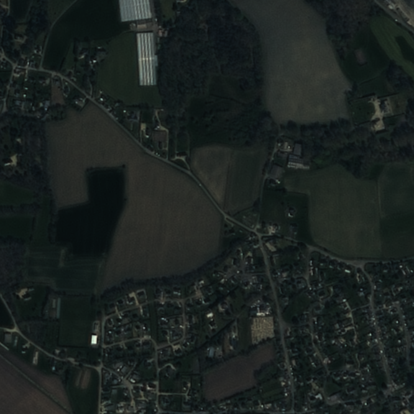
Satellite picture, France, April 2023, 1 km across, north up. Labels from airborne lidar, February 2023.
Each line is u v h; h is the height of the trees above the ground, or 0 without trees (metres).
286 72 0
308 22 0
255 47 18
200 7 19
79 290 0
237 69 13
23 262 20
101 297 8
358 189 0
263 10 0
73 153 0
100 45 0
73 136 0
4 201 0
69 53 0
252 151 0
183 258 0
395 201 0
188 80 20
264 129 23
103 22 0
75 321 0
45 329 11
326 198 0
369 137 18
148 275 0
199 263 0
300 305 0
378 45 0
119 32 0
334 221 0
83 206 0
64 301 0
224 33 20
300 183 0
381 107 0
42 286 0
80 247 0
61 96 0
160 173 0
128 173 0
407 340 0
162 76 19
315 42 0
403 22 0
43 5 12
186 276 10
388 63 0
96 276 0
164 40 9
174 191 0
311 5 21
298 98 0
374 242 0
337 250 0
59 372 14
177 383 11
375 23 0
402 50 0
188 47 22
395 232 0
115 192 0
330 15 15
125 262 0
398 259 0
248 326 0
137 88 0
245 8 0
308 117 0
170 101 17
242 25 13
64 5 0
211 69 16
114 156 0
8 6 0
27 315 0
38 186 14
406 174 0
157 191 0
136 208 0
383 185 0
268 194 0
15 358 0
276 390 0
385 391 0
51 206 14
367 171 11
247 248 0
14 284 6
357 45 0
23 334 8
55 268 0
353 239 0
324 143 26
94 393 0
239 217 0
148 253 0
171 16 0
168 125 13
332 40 23
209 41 7
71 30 0
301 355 9
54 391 0
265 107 0
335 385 15
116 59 0
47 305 12
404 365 12
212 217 0
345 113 0
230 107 0
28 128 11
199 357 11
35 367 0
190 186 0
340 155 19
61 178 0
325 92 0
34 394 0
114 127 0
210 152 0
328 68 0
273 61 0
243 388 0
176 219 0
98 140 0
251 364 0
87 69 14
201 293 0
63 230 0
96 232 0
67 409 0
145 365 0
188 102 12
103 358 9
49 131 0
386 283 0
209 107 0
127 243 0
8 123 7
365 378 0
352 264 0
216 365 16
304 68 0
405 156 29
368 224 0
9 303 18
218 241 0
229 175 0
